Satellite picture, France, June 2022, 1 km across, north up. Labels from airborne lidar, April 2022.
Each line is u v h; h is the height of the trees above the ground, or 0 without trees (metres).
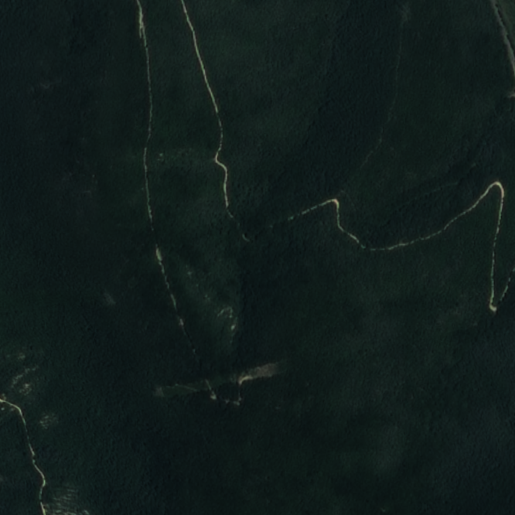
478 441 8
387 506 19
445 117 6
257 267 12
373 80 8
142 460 13
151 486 16
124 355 14
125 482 9
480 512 16
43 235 9
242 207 19
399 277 6
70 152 13
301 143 10
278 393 8
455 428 9
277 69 8
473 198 7
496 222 6
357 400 6
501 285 9
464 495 10
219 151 8
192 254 12
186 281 6
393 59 6
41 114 7
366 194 9
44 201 9
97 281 7
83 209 5
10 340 7
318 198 10
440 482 7
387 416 12
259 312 11
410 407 10
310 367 10
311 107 8
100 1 10
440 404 17
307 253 7
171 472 16
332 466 11
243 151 7
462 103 7
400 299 10
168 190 7
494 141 7
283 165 14
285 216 13
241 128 11
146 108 10
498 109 13
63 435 9
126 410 12
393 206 12
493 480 10
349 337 7
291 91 8
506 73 7
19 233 12
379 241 12
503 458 9
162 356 10
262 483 12
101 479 11
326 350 6
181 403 12
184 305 8
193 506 9
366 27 7
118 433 15
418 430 12
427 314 9
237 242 14
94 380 11
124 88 6
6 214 7
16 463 7
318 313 9
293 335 9
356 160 6
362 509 17
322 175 9
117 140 6
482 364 6
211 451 12
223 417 16
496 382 8
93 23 10
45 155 8
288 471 13
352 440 14
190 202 6
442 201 7
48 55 6
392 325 7
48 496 6
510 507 12
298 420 12
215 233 7
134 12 10
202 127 10
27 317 11
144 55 7
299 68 7
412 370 8
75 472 6
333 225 11
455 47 7
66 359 11
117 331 12
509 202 9
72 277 9
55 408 6
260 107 8
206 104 8
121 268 8
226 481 12
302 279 12
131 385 8
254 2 8
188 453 12
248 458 11
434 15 6
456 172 17
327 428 9
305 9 9
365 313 9
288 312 8
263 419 11
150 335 10
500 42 9
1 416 9
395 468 8
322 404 9
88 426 12
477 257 7
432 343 8
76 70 9
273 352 7
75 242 9
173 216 8
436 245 8
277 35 11
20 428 7
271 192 14
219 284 10
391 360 7
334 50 10
